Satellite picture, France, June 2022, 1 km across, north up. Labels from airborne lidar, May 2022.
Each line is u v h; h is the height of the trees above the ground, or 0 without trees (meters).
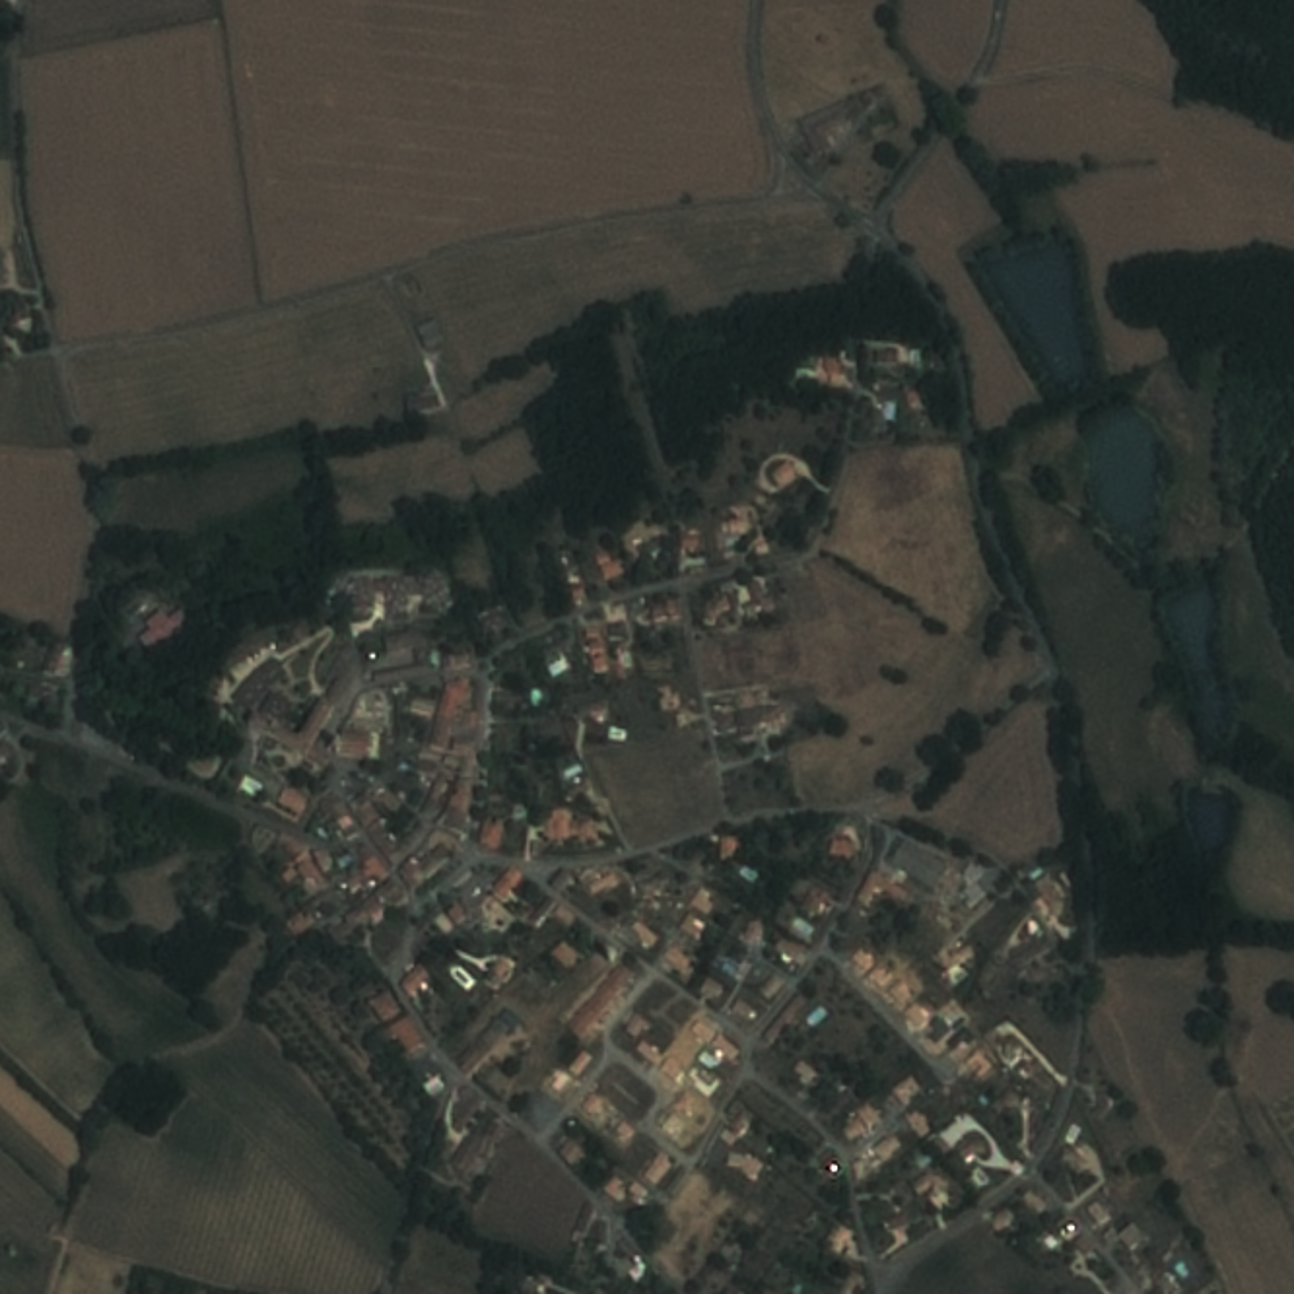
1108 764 0
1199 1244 11
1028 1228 6
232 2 0
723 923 14
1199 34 16
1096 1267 8
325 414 0
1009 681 0
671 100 0
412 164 0
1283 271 14
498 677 9
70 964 0
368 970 16
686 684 0
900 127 0
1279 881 0
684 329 11
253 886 0
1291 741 0
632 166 0
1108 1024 0
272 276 0
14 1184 0
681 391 13
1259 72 10
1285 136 14
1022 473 0
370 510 0
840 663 0
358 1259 0
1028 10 0
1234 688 11
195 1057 0
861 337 14
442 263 0
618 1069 0
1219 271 14
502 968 0
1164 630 10
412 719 6
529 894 12
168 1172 0
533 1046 0
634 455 20
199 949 16
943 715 0
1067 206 0
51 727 12
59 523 0
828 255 0
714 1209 0
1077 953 13
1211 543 0
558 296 0
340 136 0
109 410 0
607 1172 7
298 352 0
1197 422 0
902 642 0
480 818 10
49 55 0
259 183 0
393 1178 13
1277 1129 0
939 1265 0
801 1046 13
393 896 0
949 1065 0
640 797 0
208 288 0
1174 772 0
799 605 0
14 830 0
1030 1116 0
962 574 0
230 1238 0
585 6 0
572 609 10
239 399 0
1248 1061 0
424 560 0
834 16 0
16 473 0
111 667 21
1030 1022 0
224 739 22
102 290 0
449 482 0
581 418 20
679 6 0
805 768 0
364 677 0
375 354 0
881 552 0
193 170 0
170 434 0
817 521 7
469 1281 0
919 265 0
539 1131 0
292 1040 5
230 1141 0
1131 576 12
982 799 0
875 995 0
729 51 0
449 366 0
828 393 13
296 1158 0
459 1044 0
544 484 13
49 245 0
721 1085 0
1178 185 0
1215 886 23
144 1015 0
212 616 13
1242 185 0
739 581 9
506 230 0
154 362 0
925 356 11
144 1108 18
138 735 23
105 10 0
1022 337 8
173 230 0
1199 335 18
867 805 0
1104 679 0
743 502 0
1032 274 0
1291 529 18
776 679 0
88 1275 0
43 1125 0
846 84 0
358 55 0
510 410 0
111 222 0
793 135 0
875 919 10
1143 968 0
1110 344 0
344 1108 8
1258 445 7
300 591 16
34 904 0
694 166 0
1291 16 11
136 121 0
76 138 0
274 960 9
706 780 0
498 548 12
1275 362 15
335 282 0
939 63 0
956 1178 7
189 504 0
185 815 6
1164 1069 0
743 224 0
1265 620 0
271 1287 0
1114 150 0
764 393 11
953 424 15
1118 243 0
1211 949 12
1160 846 10
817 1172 9
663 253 0
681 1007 0
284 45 0
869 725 0
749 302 17
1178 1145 0
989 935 0
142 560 18
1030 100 0
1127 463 0
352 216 0
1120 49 0
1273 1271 0
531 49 0
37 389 0
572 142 0
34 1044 0
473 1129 8
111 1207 0
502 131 0
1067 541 0
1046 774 0
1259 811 0
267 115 0
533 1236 0
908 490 0
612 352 13
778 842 13
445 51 0
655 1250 9
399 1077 8
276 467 0
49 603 0
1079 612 0
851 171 0
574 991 0
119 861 9
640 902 7
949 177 0
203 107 0
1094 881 11
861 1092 10
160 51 0
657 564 7
